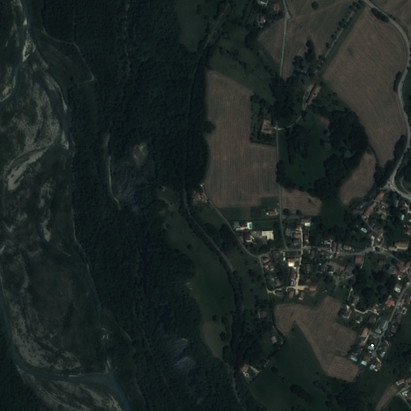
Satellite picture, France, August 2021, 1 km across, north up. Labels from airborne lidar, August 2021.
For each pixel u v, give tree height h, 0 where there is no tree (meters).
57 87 0
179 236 0
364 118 0
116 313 16
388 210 10
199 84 13
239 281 10
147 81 10
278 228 11
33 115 0
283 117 16
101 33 10
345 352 0
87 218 21
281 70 0
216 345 0
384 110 0
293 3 0
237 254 0
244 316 10
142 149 0
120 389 0
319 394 0
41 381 0
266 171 0
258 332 14
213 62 0
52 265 0
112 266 8
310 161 0
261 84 0
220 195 0
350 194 0
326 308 0
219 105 0
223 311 0
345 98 0
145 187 9
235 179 0
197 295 0
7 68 0
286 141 0
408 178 14
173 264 19
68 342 0
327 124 0
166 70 19
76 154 6
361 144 25
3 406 25
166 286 11
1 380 20
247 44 16
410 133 0
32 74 0
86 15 7
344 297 0
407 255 9
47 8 19
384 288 23
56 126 0
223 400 17
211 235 13
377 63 0
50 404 0
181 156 24
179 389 15
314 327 0
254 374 6
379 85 0
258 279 8
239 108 0
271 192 0
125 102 21
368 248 0
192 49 0
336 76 0
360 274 23
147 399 16
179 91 14
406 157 10
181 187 15
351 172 12
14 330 0
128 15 13
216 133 0
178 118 24
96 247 10
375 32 0
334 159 21
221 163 0
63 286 0
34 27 0
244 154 0
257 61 0
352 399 10
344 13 0
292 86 21
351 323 8
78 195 16
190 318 8
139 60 20
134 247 21
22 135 0
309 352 0
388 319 0
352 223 6
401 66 0
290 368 0
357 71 0
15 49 0
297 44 0
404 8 0
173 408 12
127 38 9
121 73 17
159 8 10
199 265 0
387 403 0
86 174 7
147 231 16
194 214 16
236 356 17
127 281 20
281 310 0
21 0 0
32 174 0
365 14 0
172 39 8
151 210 18
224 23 8
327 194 24
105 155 14
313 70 11
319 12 0
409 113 8
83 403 0
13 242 0
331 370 0
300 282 9
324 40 0
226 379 6
